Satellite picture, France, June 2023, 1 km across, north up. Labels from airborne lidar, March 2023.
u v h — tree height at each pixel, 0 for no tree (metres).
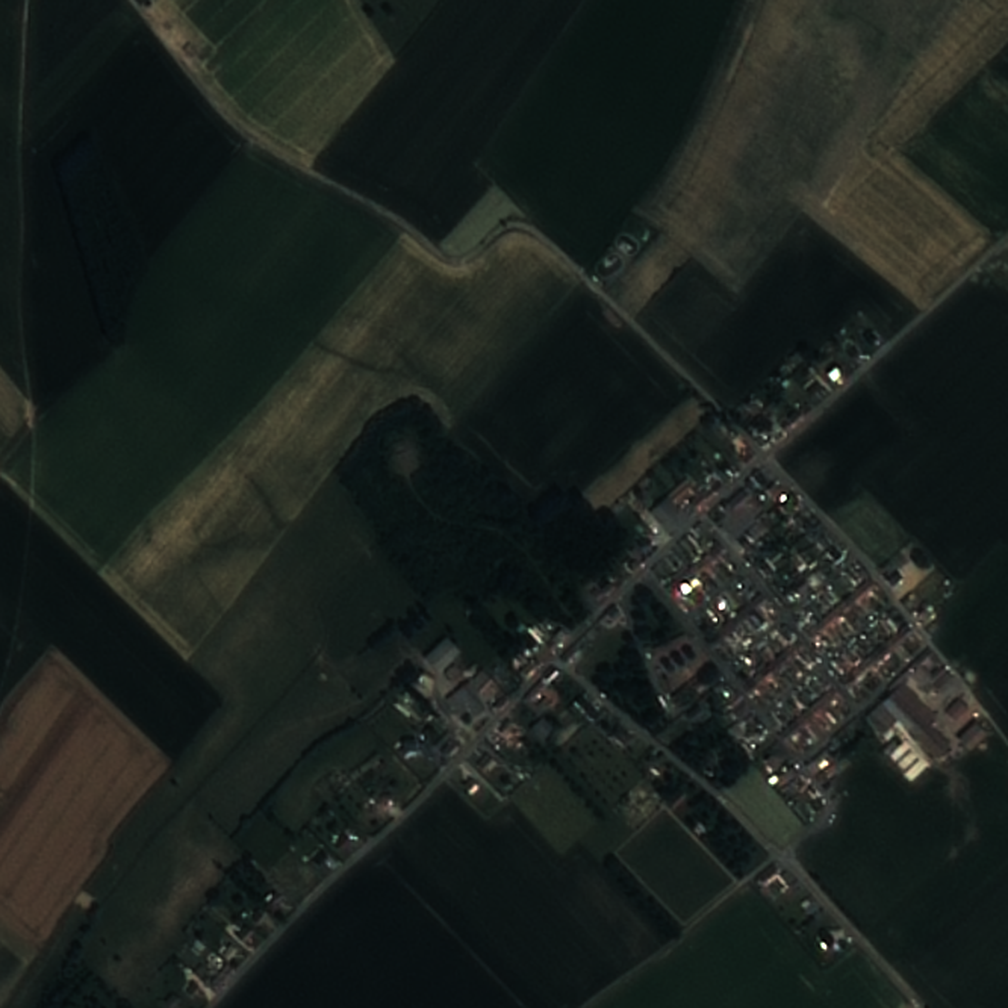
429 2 0
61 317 0
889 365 0
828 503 0
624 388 0
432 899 0
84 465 0
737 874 9
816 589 0
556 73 0
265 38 0
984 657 0
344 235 0
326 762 0
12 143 0
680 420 0
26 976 0
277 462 0
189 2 0
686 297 0
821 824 0
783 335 0
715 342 0
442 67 0
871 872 0
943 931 0
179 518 0
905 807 0
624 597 0
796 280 0
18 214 0
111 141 0
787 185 0
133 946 0
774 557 0
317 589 0
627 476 0
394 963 0
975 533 0
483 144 0
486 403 0
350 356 0
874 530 0
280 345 0
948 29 0
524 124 0
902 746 0
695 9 0
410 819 0
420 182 0
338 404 0
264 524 0
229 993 0
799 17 0
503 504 9
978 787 0
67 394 0
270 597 0
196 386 0
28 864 0
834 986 0
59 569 0
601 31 0
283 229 0
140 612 0
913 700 0
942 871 0
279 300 0
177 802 0
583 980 0
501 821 0
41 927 0
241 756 0
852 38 0
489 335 0
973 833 0
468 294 0
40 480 0
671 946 0
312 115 0
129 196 0
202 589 0
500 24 0
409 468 0
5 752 0
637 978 0
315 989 0
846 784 0
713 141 0
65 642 0
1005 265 0
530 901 0
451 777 0
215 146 0
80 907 0
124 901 0
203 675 0
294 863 0
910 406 0
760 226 0
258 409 0
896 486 0
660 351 0
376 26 0
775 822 0
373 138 0
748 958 0
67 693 0
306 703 0
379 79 0
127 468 0
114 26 0
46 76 0
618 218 0
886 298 0
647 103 0
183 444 0
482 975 0
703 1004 0
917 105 0
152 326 0
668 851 0
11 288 0
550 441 0
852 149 0
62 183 26
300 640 0
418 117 0
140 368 0
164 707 0
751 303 0
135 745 0
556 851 0
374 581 0
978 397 0
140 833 0
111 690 0
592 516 21
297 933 0
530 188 0
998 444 0
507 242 0
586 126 0
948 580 0
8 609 0
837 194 0
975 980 0
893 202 0
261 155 0
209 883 0
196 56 0
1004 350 0
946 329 0
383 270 0
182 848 0
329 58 0
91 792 0
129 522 0
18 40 0
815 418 0
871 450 0
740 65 0
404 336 0
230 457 0
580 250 0
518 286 0
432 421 8
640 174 0
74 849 0
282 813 0
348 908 0
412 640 0
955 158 0
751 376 0
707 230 0
